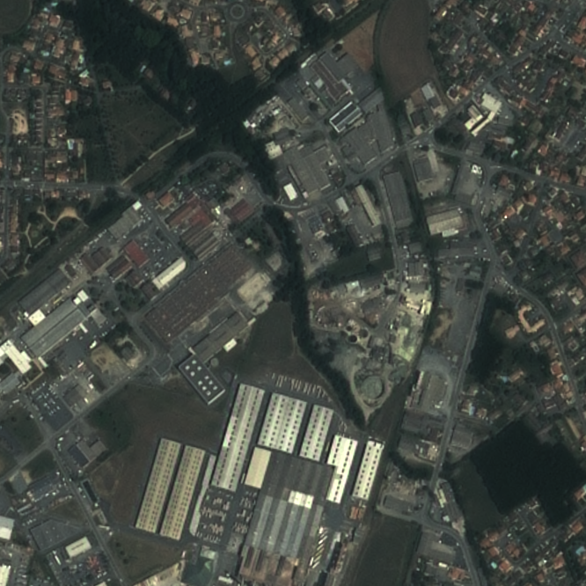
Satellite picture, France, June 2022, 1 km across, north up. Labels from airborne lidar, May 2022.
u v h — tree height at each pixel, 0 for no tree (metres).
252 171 16
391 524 0
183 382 0
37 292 0
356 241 0
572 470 15
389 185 0
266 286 0
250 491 0
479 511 0
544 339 0
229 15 0
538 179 0
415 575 17
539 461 20
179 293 0
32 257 7
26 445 0
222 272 0
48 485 0
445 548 0
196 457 0
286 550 0
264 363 0
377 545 0
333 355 9
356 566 0
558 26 0
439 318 0
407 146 0
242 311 0
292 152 0
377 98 0
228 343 0
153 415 0
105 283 0
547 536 0
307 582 0
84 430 0
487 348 17
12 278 7
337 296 0
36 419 0
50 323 0
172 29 16
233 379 0
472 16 0
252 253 0
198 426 0
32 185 0
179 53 18
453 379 0
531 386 8
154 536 0
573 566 7
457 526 0
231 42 0
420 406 0
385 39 0
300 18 14
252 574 0
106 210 10
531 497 17
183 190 0
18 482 0
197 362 0
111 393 0
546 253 11
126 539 0
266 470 0
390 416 0
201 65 8
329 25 13
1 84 0
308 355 7
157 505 0
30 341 0
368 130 0
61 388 0
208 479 0
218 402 0
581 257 0
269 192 24
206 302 0
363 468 0
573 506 10
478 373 13
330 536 0
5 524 0
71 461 0
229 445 0
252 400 0
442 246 0
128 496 0
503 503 18
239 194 0
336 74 0
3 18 0
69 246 0
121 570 0
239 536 0
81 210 6
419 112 6
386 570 0
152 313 0
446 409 0
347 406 21
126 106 0
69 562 0
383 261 0
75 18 13
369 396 0
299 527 0
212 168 16
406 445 0
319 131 0
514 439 20
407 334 0
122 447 0
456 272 0
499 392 11
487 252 0
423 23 0
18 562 0
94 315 0
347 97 0
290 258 20
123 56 14
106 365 0
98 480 0
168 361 0
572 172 10
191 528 0
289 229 17
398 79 0
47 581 0
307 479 0
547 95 0
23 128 0
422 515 0
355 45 0
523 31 0
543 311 0
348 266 0
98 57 21
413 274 0
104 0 28
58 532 0
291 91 0
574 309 0
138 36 31
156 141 8
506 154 7
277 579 0
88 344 0
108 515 0
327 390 0
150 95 9
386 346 0
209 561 0
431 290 7
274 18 0
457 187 0
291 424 0
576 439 0
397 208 0
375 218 0
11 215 0
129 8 8
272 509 0
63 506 0
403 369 0
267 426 0
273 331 0
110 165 7
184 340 0
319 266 0
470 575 0
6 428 0
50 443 0
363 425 9
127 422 0
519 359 7
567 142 0
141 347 0
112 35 17
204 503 0
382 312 0
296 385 0
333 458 0
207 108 17
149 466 0
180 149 12
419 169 0
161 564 0
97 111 9
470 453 8
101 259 0
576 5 0
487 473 19
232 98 14
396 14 0
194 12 0
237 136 24
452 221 0
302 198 0
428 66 0
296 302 20
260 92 11
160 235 14
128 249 0
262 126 12
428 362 0
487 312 13
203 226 0
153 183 9
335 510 0
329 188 0
